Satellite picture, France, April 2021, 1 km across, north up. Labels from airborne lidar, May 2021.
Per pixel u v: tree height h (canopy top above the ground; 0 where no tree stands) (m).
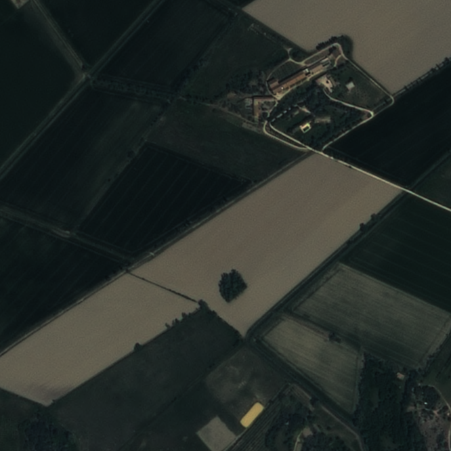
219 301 0
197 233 0
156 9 0
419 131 0
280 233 0
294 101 11
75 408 0
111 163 0
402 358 0
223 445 0
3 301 0
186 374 0
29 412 0
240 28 0
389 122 0
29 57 0
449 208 0
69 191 0
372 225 0
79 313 0
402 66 0
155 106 0
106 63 0
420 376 22
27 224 0
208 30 0
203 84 0
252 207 0
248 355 0
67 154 0
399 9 0
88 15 0
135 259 0
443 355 0
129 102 0
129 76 0
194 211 0
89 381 0
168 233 0
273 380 0
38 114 0
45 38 0
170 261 0
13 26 0
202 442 0
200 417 0
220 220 0
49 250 0
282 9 0
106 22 0
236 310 0
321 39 0
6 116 0
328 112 10
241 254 0
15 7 0
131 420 0
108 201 0
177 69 0
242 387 0
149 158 0
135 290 0
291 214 0
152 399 0
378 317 0
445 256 0
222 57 0
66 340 0
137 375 0
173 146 0
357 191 0
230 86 10
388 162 0
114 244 0
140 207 0
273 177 0
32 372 0
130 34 0
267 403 0
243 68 0
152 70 0
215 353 0
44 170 0
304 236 0
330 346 0
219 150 0
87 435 0
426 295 0
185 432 0
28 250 0
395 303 0
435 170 0
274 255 0
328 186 0
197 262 0
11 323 0
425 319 0
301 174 0
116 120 0
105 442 0
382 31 0
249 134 0
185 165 0
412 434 15
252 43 0
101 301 0
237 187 0
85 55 0
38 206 0
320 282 0
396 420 10
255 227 0
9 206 0
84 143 0
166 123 0
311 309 0
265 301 0
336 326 0
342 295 0
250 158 0
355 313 0
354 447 0
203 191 0
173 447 0
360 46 0
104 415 0
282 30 0
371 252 0
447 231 0
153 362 0
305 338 0
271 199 0
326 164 0
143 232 0
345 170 0
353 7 0
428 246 0
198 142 0
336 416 0
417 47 0
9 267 0
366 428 12
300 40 0
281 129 0
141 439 0
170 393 0
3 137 0
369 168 0
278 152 0
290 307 0
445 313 0
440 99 0
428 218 0
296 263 0
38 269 0
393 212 0
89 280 0
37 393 0
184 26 0
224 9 0
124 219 0
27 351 0
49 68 0
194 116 0
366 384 12
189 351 0
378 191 0
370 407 9
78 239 0
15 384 0
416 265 0
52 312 0
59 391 0
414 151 0
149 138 0
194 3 0
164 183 0
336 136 8
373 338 0
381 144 0
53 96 0
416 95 0
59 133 0
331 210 0
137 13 0
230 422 0
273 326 0
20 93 0
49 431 9
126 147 0
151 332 0
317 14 0
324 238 0
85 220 0
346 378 0
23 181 0
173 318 0
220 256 0
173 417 0
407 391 12
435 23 0
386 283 0
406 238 0
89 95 0
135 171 0
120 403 0
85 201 0
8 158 0
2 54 0
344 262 0
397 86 0
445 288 0
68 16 0
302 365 0
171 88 0
